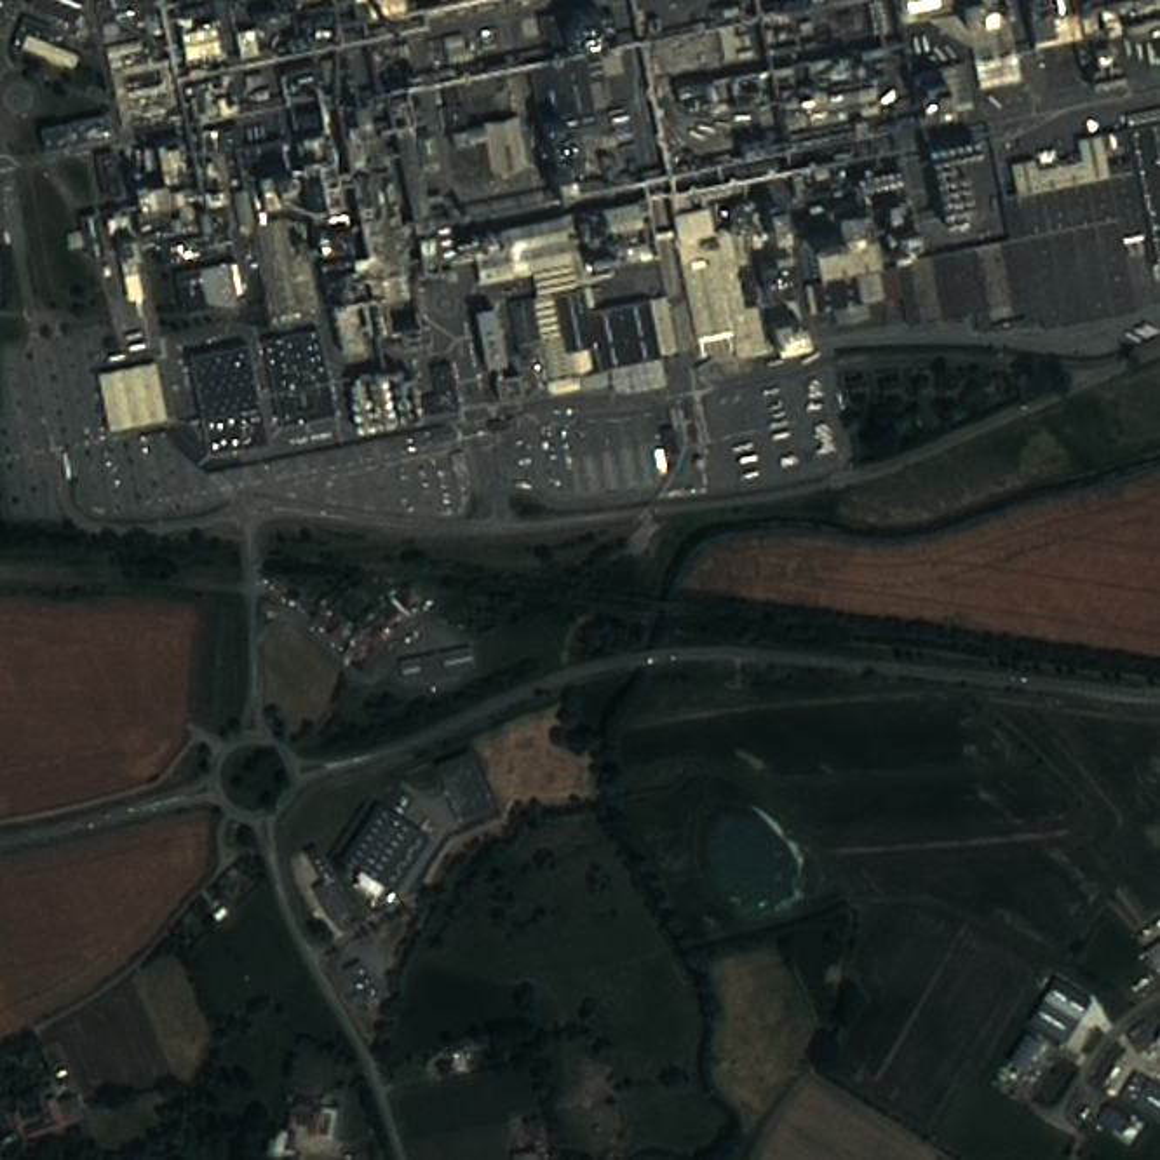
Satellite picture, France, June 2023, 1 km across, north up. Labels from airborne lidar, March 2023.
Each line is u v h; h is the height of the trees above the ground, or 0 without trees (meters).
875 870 0
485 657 0
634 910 0
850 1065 0
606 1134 0
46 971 0
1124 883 0
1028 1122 0
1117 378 0
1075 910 0
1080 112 0
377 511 0
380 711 8
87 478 0
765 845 0
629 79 0
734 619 6
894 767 0
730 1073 0
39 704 0
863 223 0
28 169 0
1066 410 0
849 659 0
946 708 0
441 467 0
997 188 0
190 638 0
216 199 0
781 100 0
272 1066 0
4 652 0
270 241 0
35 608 0
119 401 0
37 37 0
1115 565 0
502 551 0
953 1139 0
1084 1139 0
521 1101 0
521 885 0
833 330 0
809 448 0
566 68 0
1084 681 0
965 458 0
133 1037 0
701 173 0
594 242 0
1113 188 0
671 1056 0
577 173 0
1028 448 0
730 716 0
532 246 0
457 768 0
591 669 0
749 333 0
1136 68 0
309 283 0
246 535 0
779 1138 0
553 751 0
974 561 0
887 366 0
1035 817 0
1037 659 6
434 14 0
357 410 0
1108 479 0
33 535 10
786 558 0
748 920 0
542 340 0
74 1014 0
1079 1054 0
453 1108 0
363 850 0
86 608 0
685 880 0
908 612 0
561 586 6
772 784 0
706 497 0
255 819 0
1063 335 0
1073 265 0
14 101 0
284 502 0
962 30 0
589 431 0
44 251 0
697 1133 0
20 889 0
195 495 0
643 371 0
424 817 0
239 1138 18
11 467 0
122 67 0
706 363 0
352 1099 0
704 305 0
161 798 0
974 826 0
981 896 0
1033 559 0
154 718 0
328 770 0
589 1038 13
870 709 0
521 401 0
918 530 0
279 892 0
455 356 0
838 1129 0
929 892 0
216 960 0
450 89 0
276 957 0
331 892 0
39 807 0
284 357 0
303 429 0
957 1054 0
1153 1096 0
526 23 0
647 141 0
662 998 0
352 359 0
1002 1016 0
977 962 0
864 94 0
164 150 0
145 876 0
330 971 0
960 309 0
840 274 0
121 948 0
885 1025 0
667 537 0
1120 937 0
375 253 0
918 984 0
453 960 0
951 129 0
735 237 0
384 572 0
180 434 0
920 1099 0
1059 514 0
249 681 0
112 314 0
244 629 0
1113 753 0
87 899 0
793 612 6
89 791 0
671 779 0
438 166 0
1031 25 0
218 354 0
